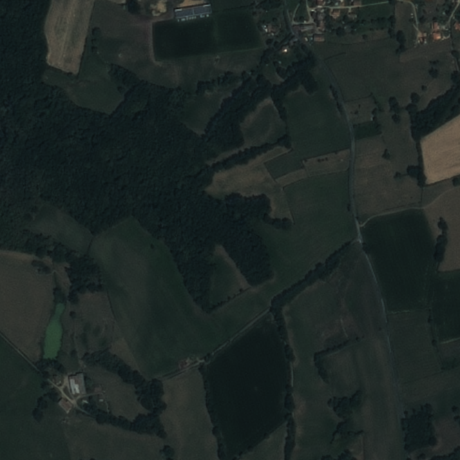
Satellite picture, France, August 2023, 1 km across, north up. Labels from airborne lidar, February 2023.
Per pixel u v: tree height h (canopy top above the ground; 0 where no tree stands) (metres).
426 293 0
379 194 0
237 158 16
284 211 0
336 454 0
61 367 14
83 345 0
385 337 0
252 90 17
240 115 19
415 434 16
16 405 0
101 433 0
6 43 28
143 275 0
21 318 0
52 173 24
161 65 0
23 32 21
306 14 0
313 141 0
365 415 0
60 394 0
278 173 0
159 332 0
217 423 11
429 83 0
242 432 0
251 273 18
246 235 24
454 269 0
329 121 0
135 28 0
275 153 0
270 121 0
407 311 0
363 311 0
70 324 0
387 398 0
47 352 0
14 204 14
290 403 20
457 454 17
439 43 0
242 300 0
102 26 0
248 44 0
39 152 21
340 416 14
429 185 0
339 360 0
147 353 0
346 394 0
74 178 22
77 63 0
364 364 0
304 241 0
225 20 0
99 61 0
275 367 0
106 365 11
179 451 0
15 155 23
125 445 0
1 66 27
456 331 0
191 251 28
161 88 13
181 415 0
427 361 0
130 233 0
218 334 0
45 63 16
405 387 0
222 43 0
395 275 0
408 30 0
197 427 0
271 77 0
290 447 16
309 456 0
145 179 23
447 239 10
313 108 0
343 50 0
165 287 0
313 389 0
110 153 22
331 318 0
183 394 0
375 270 0
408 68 0
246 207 20
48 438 0
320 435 0
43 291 0
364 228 0
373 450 0
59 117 22
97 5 0
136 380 16
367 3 0
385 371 0
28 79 17
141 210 19
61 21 0
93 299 0
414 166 0
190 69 0
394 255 0
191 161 17
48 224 0
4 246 14
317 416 0
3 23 29
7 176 21
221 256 0
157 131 18
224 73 0
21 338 0
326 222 0
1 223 11
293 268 0
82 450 0
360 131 0
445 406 0
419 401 0
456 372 0
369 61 0
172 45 0
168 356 0
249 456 0
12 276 0
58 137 23
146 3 0
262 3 7
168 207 28
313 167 0
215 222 22
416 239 0
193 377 0
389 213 0
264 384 0
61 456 0
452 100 13
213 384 0
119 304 0
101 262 0
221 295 0
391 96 0
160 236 18
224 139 20
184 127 13
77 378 0
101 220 18
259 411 0
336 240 0
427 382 0
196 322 0
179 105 20
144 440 0
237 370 0
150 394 13
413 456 0
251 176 0
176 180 22
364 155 0
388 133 0
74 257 19
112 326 0
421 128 8
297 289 14
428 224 0
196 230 28
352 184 0
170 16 0
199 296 21
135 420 0
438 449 0
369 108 0
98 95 0
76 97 0
